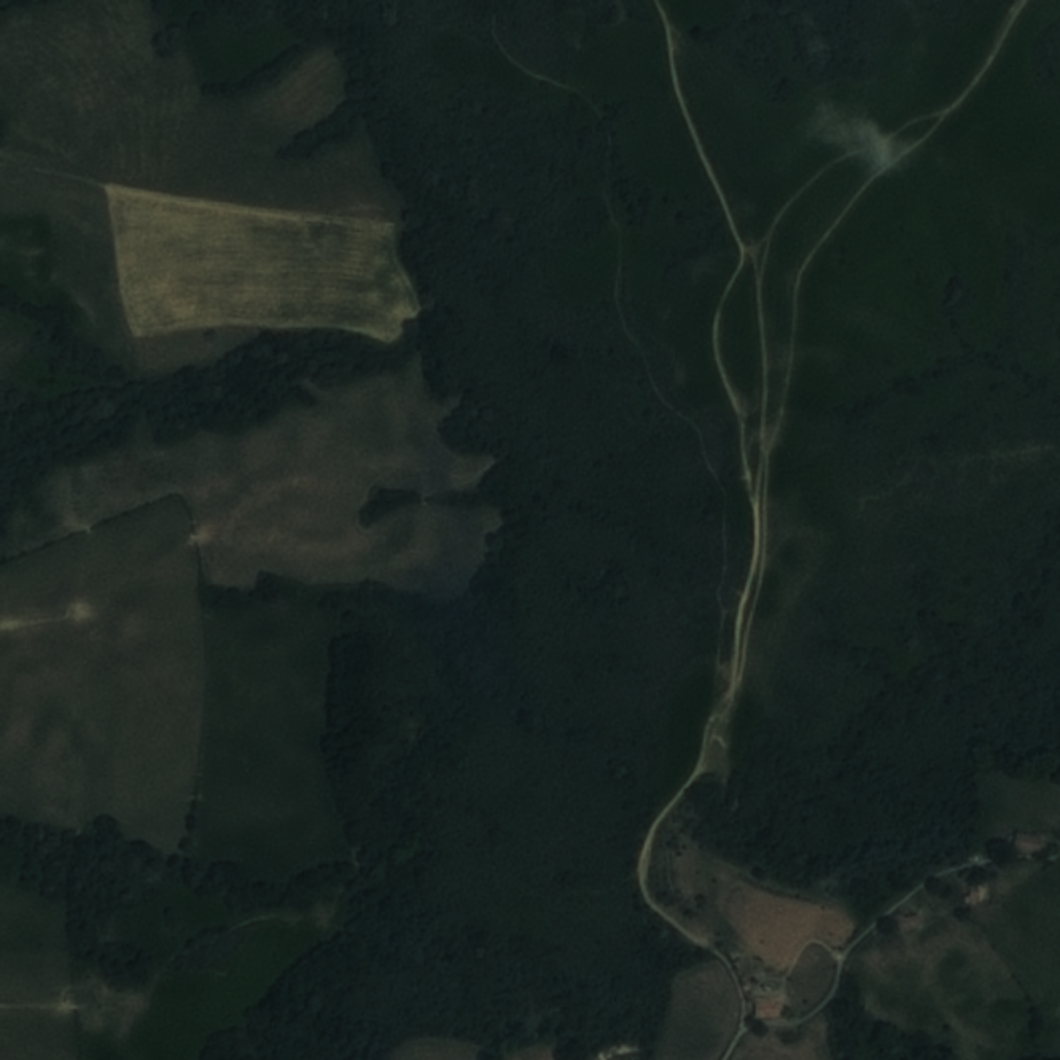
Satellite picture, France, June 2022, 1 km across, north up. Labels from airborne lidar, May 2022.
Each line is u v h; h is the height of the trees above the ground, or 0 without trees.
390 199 0
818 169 0
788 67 0
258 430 0
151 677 0
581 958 6
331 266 0
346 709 19
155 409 8
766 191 0
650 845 0
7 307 7
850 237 0
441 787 7
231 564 0
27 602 0
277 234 0
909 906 0
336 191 0
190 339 0
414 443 0
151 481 0
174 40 15
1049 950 0
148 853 16
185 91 0
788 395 0
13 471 8
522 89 0
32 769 0
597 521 9
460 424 12
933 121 0
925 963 0
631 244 0
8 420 10
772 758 9
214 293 0
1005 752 11
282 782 0
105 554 0
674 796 0
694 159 0
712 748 0
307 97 0
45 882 7
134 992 0
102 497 0
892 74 0
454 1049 0
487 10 7
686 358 0
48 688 0
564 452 8
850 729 13
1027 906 0
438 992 7
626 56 0
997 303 0
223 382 12
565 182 6
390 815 11
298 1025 20
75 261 0
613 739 7
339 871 16
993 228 0
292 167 0
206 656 0
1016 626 9
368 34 10
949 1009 0
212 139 0
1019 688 9
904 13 0
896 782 6
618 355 6
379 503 7
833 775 8
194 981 0
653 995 6
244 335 0
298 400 7
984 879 15
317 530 0
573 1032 8
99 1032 0
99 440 13
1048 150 0
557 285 0
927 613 12
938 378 13
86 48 0
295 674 0
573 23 0
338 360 9
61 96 0
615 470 7
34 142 0
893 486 0
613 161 8
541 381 6
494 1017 9
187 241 0
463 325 7
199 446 0
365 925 20
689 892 0
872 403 7
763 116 0
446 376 11
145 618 0
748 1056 0
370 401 0
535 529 9
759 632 0
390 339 0
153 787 0
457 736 10
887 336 0
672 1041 0
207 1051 9
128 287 0
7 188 0
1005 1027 0
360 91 22
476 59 0
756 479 0
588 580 7
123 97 0
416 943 16
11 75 0
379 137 6
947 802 8
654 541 8
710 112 0
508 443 13
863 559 0
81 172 0
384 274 0
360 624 6
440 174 8
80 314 0
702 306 0
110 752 0
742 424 0
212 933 7
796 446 0
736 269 0
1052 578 10
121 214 0
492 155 7
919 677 11
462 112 8
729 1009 0
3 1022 0
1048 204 0
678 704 0
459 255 7
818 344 0
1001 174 0
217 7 7
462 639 19
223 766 0
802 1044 0
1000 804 0
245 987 0
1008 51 0
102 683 0
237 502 0
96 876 10
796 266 0
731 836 8
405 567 0
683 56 0
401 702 10
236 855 0
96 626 0
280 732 0
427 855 12
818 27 5
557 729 7
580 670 6
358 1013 6
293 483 0
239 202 0
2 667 0
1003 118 0
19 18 0
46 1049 0
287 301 0
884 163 0
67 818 0
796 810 9
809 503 0
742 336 0
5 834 15
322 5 16
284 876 0
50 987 0
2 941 0
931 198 0
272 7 11
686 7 0
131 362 0
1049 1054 0
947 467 0
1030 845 0
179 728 0
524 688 7
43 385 6
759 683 0
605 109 6
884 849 12
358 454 0
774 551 0
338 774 9
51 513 0
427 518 0
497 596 15
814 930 0
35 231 0
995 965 0
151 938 0
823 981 0
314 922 0
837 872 13
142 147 0
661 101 0
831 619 7
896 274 0
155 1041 0
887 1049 18
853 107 0
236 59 0
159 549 0
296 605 0
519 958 10
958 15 0
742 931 0
